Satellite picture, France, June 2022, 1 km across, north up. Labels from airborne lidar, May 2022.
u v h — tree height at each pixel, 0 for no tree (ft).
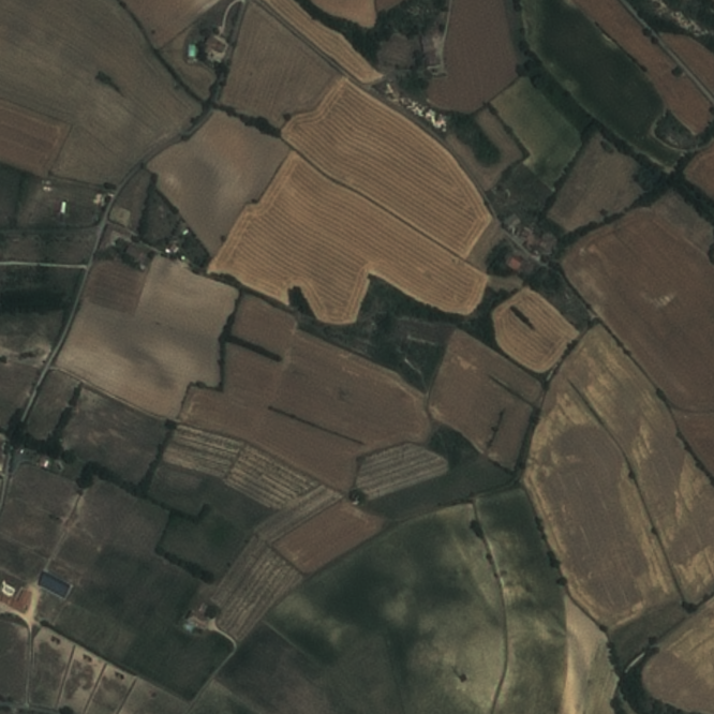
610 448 0
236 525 0
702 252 0
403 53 0
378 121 0
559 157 0
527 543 0
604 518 0
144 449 0
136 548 0
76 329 0
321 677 0
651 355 0
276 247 0
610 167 0
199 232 0
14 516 0
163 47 0
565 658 0
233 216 0
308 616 0
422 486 0
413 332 0
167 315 0
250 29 0
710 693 0
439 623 0
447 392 0
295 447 0
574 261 0
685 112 0
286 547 0
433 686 0
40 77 0
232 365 0
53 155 0
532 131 0
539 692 0
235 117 29
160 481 0
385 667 0
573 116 0
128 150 0
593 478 0
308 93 0
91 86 0
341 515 0
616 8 0
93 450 0
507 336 0
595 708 0
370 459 0
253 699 0
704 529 0
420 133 0
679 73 23
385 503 0
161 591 0
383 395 0
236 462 0
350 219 0
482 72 0
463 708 0
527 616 0
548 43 0
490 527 0
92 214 0
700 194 58
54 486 0
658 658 0
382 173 0
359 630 0
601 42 0
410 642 0
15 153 0
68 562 0
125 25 0
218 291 0
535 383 0
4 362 27
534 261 0
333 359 0
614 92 0
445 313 36
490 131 0
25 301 25
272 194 0
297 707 0
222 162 0
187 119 0
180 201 0
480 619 0
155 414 0
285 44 0
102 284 0
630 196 0
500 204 0
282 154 0
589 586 0
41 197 0
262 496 0
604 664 0
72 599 0
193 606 0
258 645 0
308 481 0
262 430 0
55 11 0
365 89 0
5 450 26
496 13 0
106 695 0
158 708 0
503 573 0
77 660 0
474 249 0
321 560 0
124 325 0
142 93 0
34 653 0
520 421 0
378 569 0
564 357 20
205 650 0
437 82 0
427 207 0
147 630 0
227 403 0
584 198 0
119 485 38
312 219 0
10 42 0
